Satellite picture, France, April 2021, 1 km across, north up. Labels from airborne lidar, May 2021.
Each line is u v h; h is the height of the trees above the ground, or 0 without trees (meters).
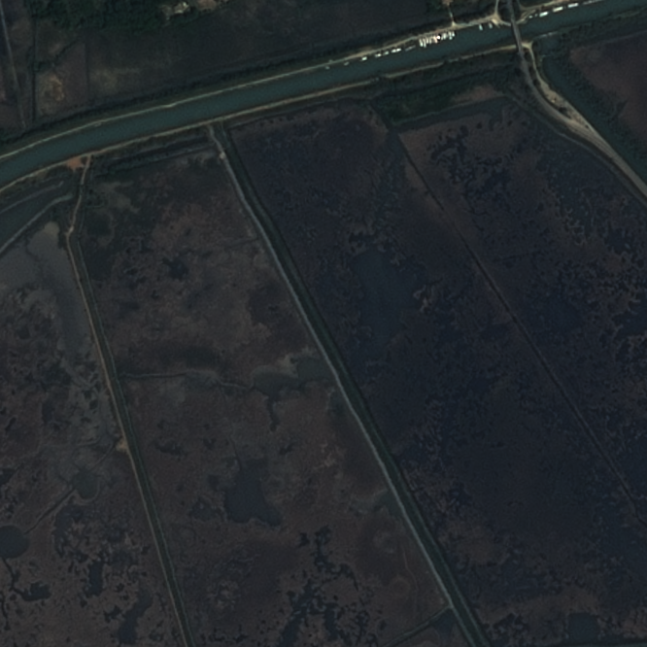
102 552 0
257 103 0
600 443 0
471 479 0
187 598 0
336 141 0
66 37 0
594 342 0
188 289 0
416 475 0
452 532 0
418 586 0
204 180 0
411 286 0
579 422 0
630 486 0
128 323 0
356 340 0
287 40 0
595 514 0
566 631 0
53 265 0
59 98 0
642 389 0
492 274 0
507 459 0
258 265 0
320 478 0
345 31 0
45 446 0
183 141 0
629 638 0
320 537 0
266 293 0
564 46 6
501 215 0
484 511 0
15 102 0
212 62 0
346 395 0
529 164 0
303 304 0
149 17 18
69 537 0
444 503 0
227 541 0
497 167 0
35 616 0
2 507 0
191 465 0
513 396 0
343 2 0
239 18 0
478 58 6
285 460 0
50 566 0
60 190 0
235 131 0
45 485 0
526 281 0
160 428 0
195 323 0
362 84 0
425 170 0
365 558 0
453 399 0
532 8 0
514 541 0
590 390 0
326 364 0
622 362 0
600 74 0
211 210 0
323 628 0
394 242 0
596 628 0
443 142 0
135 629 0
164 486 0
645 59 0
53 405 0
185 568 0
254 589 0
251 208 0
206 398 0
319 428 0
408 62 0
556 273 0
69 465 0
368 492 0
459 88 8
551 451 0
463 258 0
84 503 0
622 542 0
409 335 0
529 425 0
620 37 0
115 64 0
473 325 0
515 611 0
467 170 0
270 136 0
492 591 0
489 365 0
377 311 0
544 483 0
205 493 0
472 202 0
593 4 0
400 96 8
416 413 0
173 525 0
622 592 0
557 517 0
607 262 0
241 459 0
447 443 0
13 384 0
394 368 0
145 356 0
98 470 0
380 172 0
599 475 0
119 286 0
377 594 0
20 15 0
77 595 0
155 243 0
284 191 0
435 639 0
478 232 0
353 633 0
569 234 0
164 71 0
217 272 0
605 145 0
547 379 0
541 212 0
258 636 0
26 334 0
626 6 0
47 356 0
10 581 0
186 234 0
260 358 0
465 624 0
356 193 0
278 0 0
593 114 0
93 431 0
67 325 0
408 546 0
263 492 0
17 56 0
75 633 0
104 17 11
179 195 0
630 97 0
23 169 0
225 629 0
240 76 6
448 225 0
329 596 0
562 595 0
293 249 0
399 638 0
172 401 0
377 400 0
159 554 0
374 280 0
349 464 0
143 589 0
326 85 0
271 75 0
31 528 0
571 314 0
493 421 0
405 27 0
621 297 0
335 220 0
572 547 0
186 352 0
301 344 0
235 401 0
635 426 0
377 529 0
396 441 0
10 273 0
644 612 0
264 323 0
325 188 0
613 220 0
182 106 0
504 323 0
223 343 0
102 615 0
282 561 0
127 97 0
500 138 0
